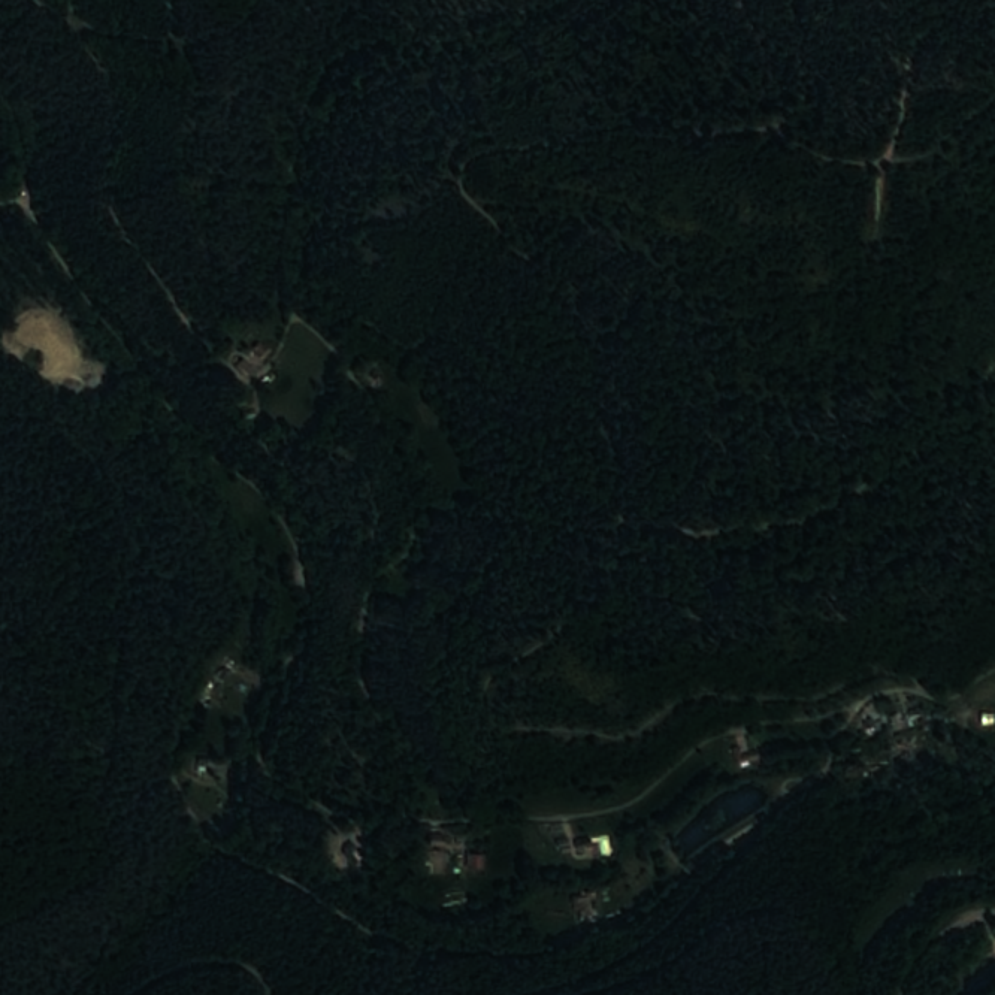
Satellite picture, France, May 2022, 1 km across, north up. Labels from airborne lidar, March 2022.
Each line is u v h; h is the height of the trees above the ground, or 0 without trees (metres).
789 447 25
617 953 24
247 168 29
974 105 11
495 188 10
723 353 22
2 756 20
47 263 37
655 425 28
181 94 16
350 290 14
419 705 38
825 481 25
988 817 23
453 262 8
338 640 10
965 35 22
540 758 10
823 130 33
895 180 6
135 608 29
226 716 0
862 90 24
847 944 14
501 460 26
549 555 27
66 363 0
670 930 17
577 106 0
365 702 13
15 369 26
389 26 29
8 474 28
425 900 0
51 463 25
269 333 0
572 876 17
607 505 28
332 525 10
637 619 28
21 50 21
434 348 21
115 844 27
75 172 21
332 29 25
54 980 31
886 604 28
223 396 36
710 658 9
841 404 26
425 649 33
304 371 0
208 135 27
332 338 31
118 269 24
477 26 25
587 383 31
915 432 24
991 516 18
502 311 23
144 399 30
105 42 16
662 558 28
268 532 0
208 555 29
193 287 23
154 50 16
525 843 0
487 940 22
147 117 14
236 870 21
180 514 31
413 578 29
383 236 10
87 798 25
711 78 34
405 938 20
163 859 29
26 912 25
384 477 14
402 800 22
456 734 20
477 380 25
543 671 9
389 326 14
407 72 18
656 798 0
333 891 23
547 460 25
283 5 30
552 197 9
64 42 30
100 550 30
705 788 19
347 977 23
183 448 28
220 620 28
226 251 28
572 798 0
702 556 28
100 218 24
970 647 14
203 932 20
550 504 26
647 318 24
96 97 29
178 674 29
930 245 12
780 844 12
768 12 24
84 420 31
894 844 9
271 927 21
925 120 8
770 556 24
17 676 23
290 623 0
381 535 10
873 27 24
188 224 29
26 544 28
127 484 26
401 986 25
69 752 26
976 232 10
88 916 29
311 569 15
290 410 0
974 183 14
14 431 23
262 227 24
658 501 27
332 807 28
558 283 28
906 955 18
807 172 8
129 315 28
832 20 20
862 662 17
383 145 26
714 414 22
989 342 7
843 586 28
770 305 9
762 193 8
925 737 0
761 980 18
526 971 20
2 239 39
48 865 25
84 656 24
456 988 22
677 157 6
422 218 11
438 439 0
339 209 28
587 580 30
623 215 18
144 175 14
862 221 9
